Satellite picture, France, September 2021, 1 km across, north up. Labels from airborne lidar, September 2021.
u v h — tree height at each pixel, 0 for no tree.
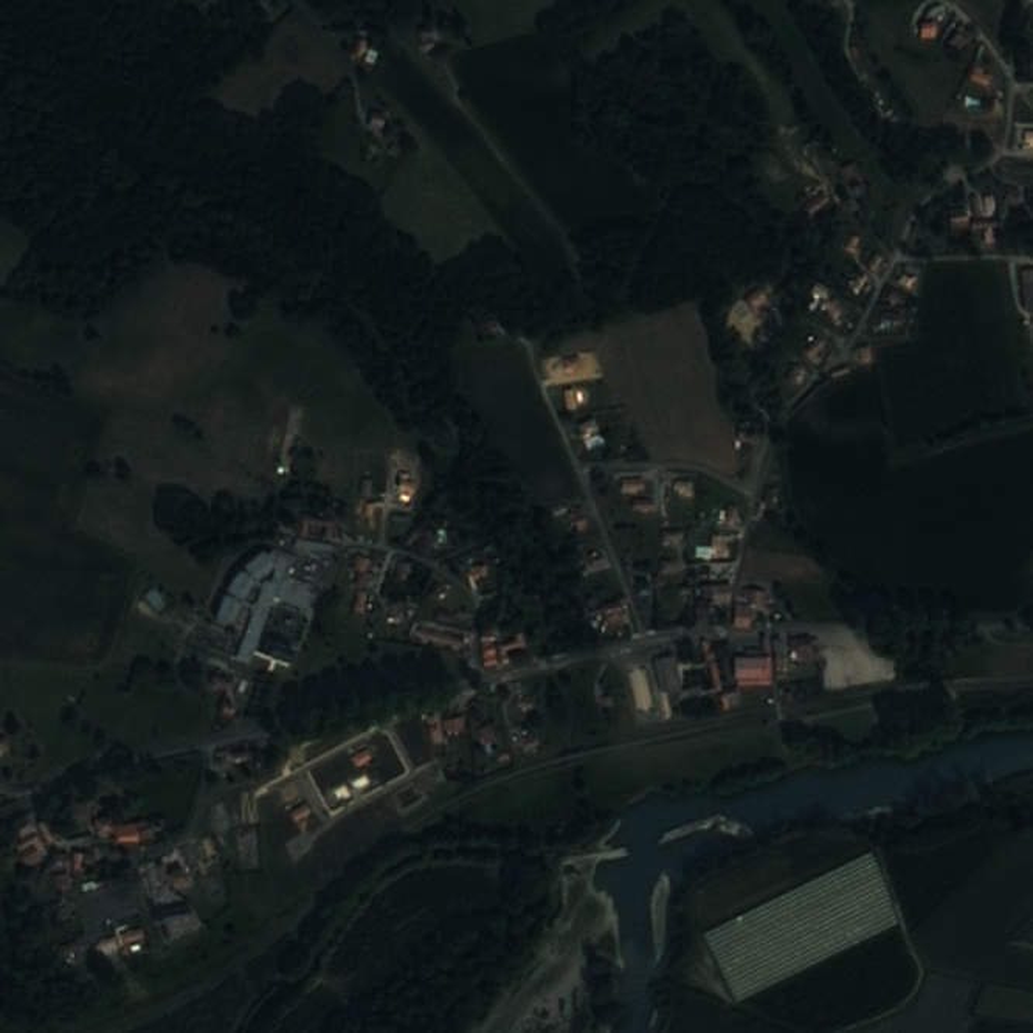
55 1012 9
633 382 0
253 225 31
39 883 0
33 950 18
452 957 16
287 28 0
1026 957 0
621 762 0
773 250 19
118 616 0
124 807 10
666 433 0
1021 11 12
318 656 0
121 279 13
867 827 13
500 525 9
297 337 0
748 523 0
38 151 24
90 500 0
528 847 24
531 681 0
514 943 19
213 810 0
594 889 0
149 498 0
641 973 0
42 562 0
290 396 0
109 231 24
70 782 16
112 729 0
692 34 10
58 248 21
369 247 27
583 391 0
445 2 0
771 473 0
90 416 0
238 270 18
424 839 8
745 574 0
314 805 0
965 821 14
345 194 23
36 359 0
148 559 0
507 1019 0
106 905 0
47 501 0
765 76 0
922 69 0
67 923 0
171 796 0
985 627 0
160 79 21
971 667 0
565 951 0
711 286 26
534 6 0
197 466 0
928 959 0
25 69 20
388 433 0
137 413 0
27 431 0
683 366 0
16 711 0
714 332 21
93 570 0
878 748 24
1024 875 0
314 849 0
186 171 24
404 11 19
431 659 0
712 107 11
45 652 0
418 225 0
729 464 0
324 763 0
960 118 0
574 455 0
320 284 19
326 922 21
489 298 14
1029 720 17
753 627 0
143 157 28
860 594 9
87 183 25
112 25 15
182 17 20
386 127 11
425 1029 22
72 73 18
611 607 0
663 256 25
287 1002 20
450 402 15
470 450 15
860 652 0
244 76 0
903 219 0
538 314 21
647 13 0
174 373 0
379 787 0
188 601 13
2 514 0
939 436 8
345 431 0
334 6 16
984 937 0
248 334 0
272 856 0
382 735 0
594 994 30
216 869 0
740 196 9
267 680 7
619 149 24
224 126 24
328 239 18
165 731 0
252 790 0
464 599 0
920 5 0
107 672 0
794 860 0
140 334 0
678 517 0
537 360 0
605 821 10
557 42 18
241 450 0
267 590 0
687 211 24
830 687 0
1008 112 0
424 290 22
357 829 0
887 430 8
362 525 0
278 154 26
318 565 0
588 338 0
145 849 0
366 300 27
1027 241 14
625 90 6
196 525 24
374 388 16
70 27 19
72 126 31
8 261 0
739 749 0
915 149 16
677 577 0
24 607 0
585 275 21
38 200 14
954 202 6
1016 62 6
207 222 13
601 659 0
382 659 0
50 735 0
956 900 0
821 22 19
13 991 20
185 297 0
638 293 22
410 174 0
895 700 17
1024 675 0
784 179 0
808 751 27
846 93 20
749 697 0
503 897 19
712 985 0
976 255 11
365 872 25
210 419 0
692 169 11
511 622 9
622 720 0
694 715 10
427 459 20
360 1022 30
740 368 28
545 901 7
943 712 29
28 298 13
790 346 0
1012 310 0
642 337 0
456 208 0
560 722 9
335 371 0
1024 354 0
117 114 16
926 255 10
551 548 8
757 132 16
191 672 20
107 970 22
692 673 8
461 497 10
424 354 23
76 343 0
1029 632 24
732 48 0
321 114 6
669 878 0
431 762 0
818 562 9
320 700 38
